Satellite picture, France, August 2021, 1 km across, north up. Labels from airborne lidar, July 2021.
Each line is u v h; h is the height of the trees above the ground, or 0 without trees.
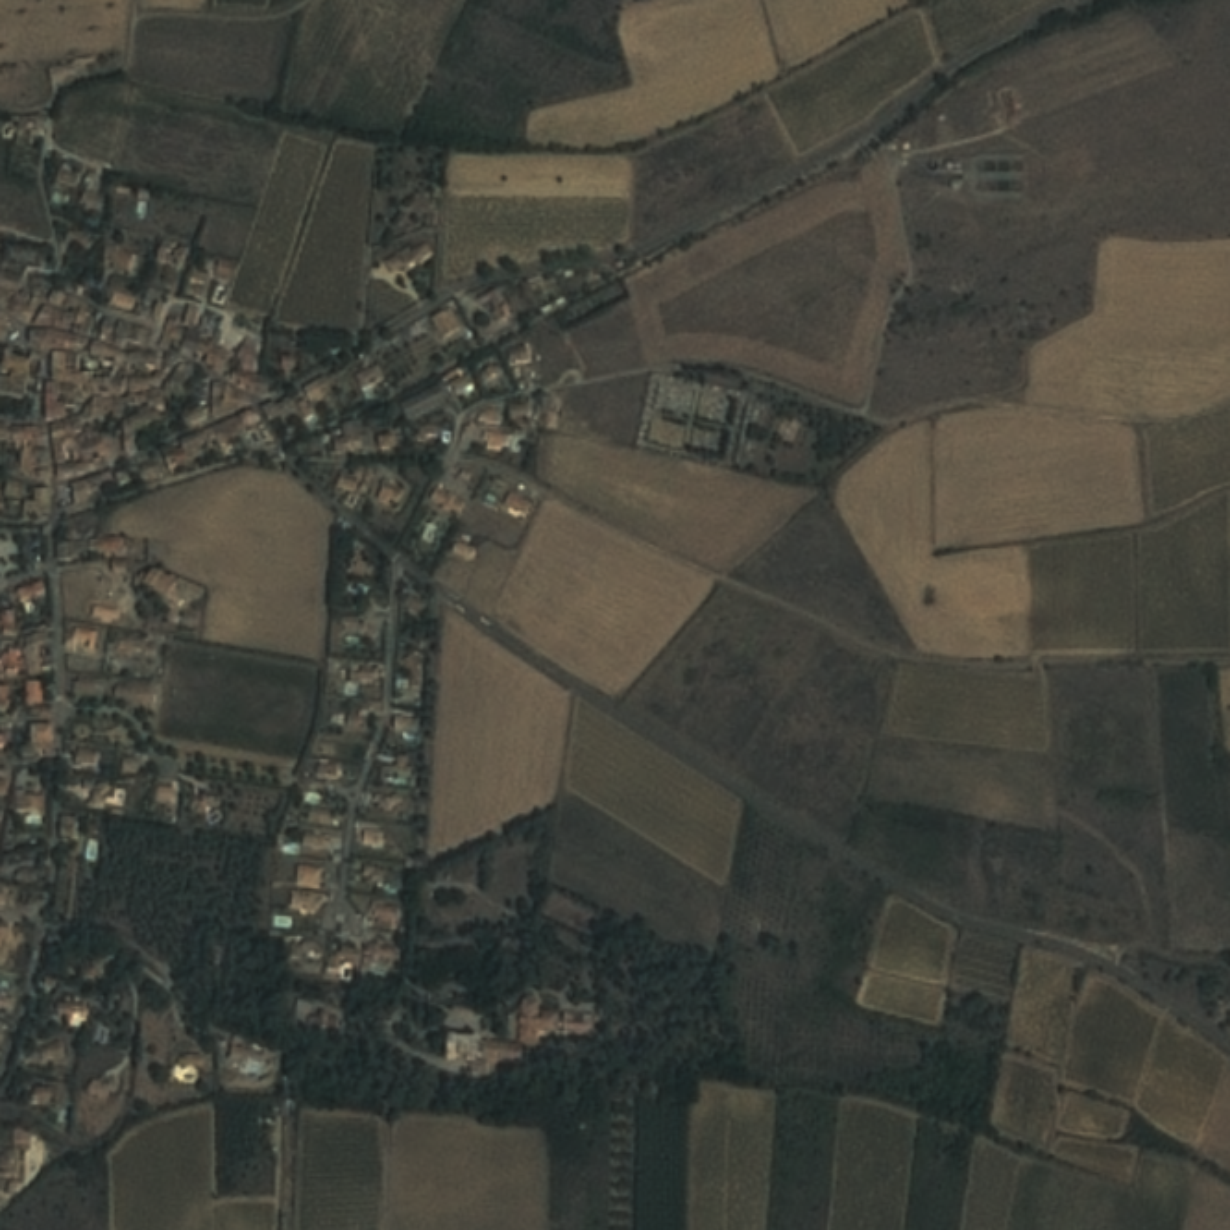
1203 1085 0
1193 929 0
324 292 0
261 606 0
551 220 0
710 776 0
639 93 0
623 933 14
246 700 0
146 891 9
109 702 10
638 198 0
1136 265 0
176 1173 0
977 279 0
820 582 0
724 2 0
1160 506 0
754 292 0
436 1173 0
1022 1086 0
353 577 9
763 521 0
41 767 7
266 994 11
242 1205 0
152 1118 6
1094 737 0
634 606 0
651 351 0
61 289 11
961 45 0
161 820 6
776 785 0
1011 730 0
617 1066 18
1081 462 0
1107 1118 0
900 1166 0
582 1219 0
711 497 0
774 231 0
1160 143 0
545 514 0
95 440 0
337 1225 0
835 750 0
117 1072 0
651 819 0
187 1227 0
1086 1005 0
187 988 14
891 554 0
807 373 0
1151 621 0
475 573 0
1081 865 0
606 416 0
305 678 0
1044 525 0
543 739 0
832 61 0
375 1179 0
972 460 0
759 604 0
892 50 0
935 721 0
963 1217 0
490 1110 9
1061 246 0
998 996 0
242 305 0
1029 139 0
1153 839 0
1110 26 0
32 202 0
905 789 0
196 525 0
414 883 16
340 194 0
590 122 0
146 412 0
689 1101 8
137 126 0
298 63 0
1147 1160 0
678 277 0
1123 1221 0
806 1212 0
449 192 0
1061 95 0
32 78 0
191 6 0
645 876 0
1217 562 0
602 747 0
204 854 8
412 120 5
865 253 0
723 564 0
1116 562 0
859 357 0
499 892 0
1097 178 0
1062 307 0
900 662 0
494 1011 17
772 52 0
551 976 16
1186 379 0
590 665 0
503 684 0
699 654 0
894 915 0
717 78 0
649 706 0
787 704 0
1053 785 0
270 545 0
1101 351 0
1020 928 0
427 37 0
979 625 0
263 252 0
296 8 0
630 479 0
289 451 10
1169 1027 0
